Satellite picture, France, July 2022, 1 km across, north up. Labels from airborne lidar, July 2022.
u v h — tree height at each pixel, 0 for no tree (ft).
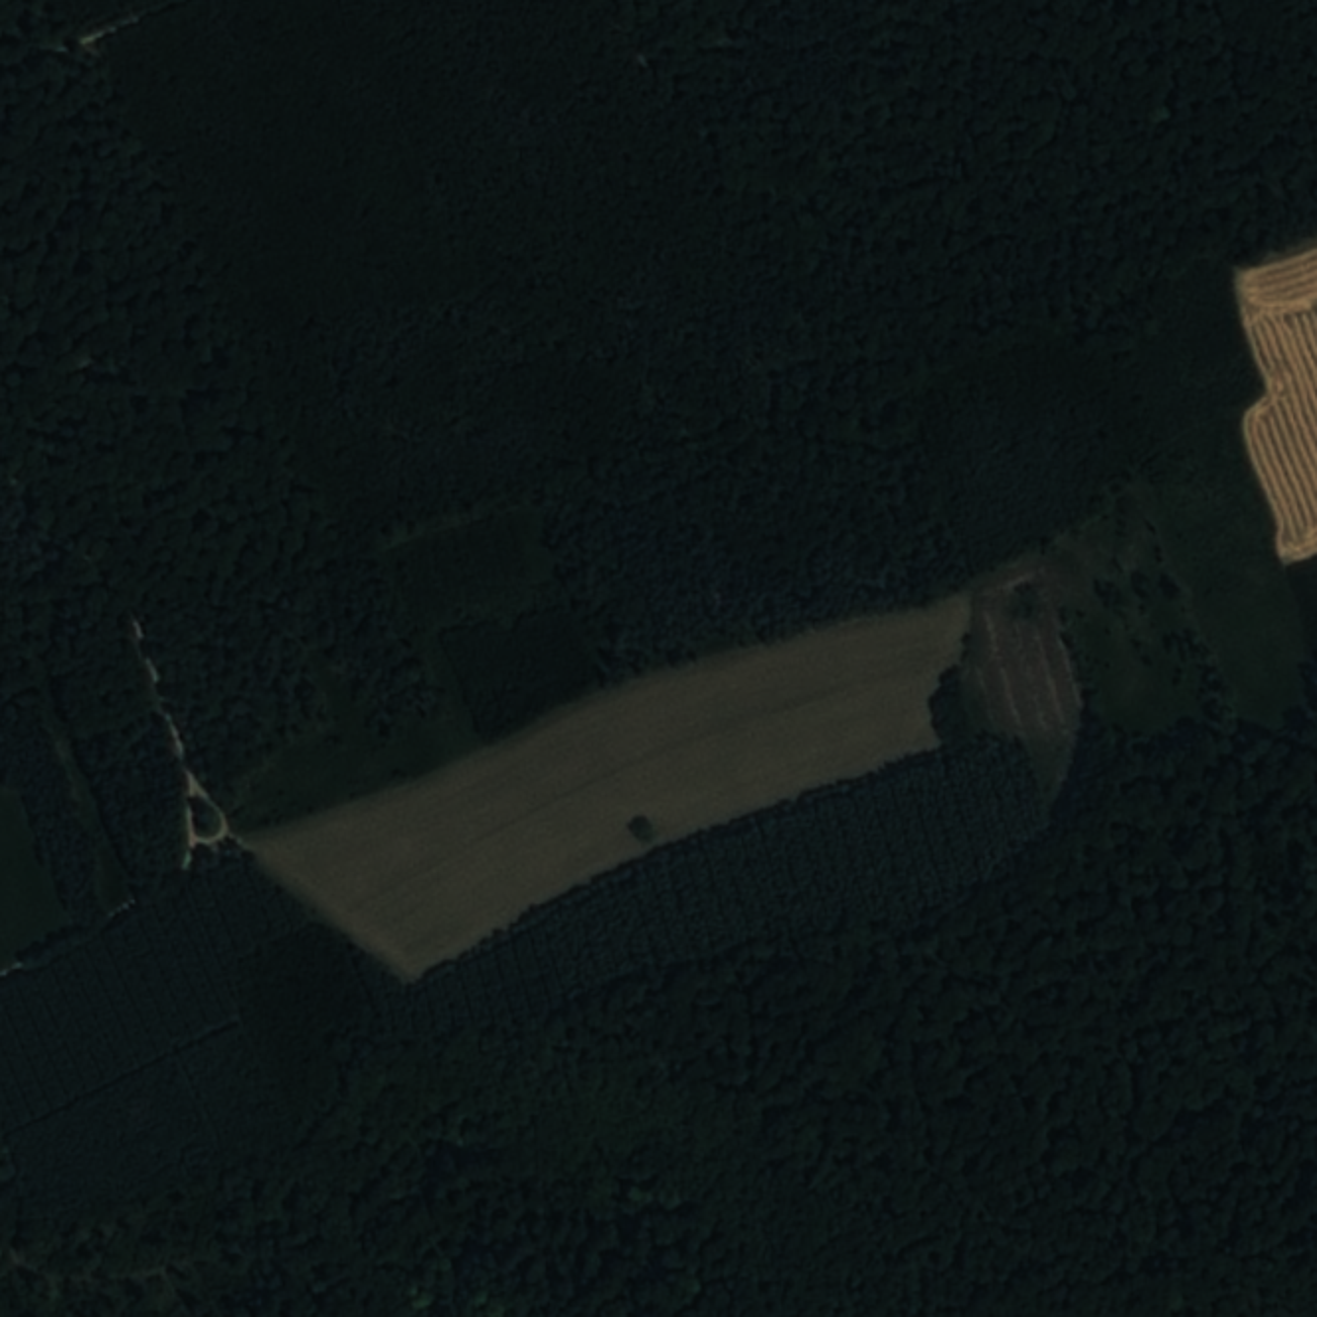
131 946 62
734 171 93
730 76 70
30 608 98
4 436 115
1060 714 0
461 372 60
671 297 56
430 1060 65
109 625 100
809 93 89
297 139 55
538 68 58
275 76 48
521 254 70
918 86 85
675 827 0
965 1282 85
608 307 56
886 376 95
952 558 87
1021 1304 85
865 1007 97
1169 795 100
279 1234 54
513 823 0
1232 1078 92
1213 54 100
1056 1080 91
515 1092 57
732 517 76
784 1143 85
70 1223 50
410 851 0
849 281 85
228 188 56
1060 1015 103
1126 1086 102
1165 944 89
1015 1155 92
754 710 0
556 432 59
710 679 0
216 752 90
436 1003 56
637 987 87
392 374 55
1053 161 95
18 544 110
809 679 0
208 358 98
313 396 55
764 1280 72
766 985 98
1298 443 0
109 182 104
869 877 73
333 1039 54
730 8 96
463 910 0
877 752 0
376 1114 80
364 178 66
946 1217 99
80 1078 59
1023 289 84
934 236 85
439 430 59
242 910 69
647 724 0
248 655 93
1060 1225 93
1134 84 105
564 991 44
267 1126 42
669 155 66
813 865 66
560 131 64
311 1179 64
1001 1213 94
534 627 31
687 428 75
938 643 0
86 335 93
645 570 91
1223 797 98
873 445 25
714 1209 89
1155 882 30
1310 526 0
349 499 49
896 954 91
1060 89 96
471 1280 106
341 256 58
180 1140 46
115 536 103
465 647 36
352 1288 91
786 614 104
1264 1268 89
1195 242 94
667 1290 107
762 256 61
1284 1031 97
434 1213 105
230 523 109
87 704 106
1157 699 0
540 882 0
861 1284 68
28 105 107
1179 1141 97
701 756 0
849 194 86
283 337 53
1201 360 17
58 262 91
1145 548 0
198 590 79
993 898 107
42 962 63
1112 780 104
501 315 59
